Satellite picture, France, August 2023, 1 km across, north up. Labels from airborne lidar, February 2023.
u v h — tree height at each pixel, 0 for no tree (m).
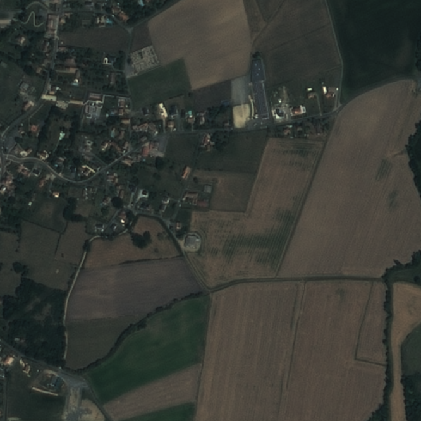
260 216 0
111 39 0
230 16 0
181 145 0
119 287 0
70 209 15
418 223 0
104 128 9
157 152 0
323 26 0
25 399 0
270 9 0
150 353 0
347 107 0
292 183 0
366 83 0
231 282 0
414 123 0
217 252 0
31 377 0
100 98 0
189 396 0
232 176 0
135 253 0
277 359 0
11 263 0
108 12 13
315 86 0
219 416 0
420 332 0
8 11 0
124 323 0
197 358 0
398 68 0
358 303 0
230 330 0
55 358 6
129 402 0
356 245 0
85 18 0
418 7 0
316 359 0
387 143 0
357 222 0
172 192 0
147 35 0
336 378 0
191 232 0
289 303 0
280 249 0
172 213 0
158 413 0
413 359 0
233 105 0
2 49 0
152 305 0
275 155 0
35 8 0
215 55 0
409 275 0
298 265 0
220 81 0
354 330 0
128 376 0
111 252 0
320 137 0
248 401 0
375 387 0
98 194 0
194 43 0
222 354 0
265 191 0
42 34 10
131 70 0
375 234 0
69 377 0
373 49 0
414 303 0
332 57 0
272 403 0
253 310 0
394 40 0
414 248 0
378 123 0
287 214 0
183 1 0
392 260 0
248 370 0
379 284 0
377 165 0
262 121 0
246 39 0
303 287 0
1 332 0
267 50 0
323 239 0
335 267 0
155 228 0
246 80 0
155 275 0
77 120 16
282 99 0
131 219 16
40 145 9
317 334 0
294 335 0
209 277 0
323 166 0
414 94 0
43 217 0
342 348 0
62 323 12
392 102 0
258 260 0
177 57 0
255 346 0
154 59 0
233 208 0
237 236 0
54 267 0
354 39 0
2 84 0
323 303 0
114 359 0
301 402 0
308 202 0
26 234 0
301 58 0
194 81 0
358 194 0
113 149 12
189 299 8
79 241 0
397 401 0
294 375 0
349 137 0
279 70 0
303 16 0
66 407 0
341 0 0
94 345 0
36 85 0
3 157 0
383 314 0
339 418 0
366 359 0
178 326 0
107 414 0
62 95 11
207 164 0
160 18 0
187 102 0
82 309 0
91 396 0
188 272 0
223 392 0
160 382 0
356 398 0
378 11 0
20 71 0
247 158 0
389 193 0
